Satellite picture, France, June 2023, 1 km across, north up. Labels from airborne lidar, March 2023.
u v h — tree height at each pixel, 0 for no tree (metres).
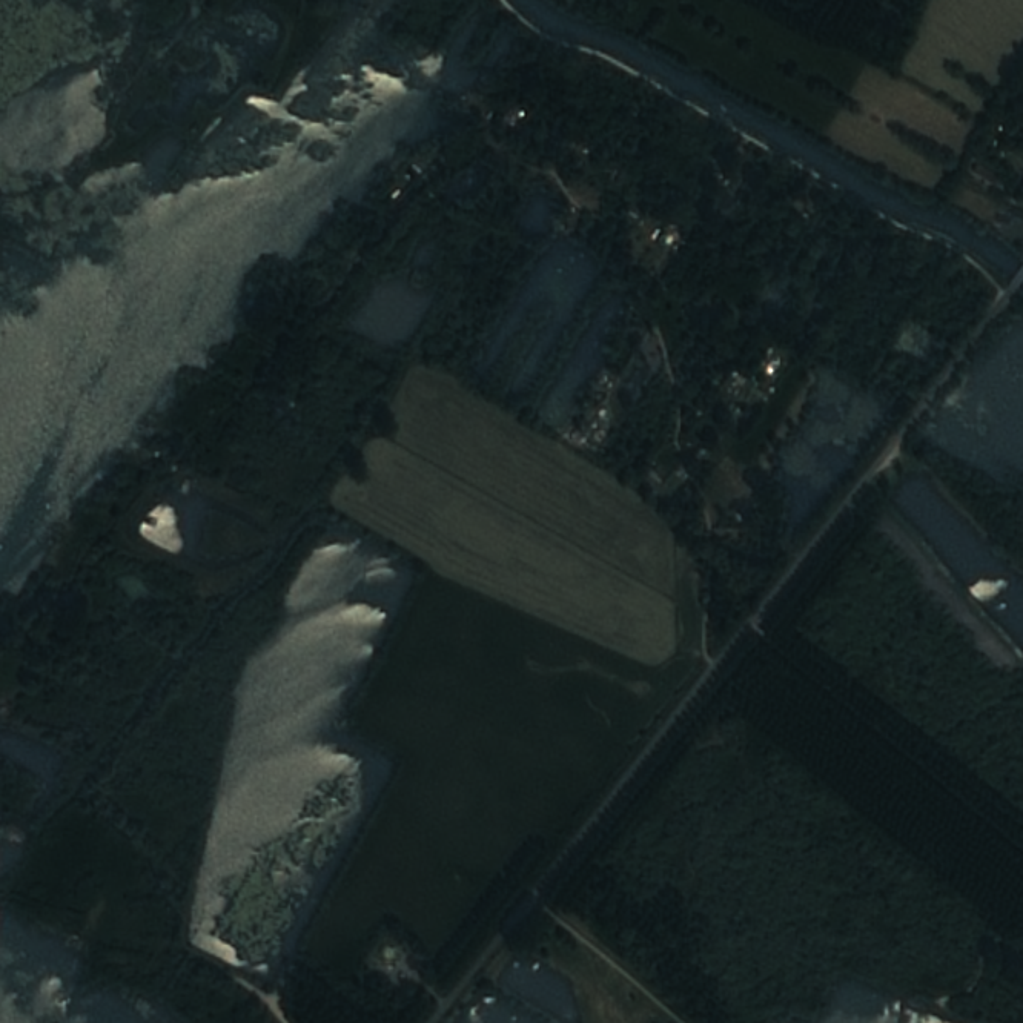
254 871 0
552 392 0
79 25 0
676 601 0
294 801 0
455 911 0
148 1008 0
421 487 0
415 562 9
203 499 0
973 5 0
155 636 13
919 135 14
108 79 0
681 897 16
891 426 13
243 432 7
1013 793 6
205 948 0
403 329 0
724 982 8
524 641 0
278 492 0
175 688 16
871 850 6
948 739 6
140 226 0
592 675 0
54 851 0
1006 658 0
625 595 0
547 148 15
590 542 0
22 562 0
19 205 0
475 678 0
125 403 0
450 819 0
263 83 8
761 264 8
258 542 0
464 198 17
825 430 0
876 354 16
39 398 0
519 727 0
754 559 20
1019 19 0
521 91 8
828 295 11
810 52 0
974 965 7
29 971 0
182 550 0
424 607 0
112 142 0
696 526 21
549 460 0
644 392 15
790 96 0
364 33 0
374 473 0
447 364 14
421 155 9
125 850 0
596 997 0
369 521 0
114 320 0
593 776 0
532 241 19
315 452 7
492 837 0
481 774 0
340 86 0
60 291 0
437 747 0
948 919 6
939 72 0
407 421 0
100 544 9
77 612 31
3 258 0
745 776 0
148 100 0
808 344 23
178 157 0
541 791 0
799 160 0
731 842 5
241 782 0
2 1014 0
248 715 0
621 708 0
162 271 0
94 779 15
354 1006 18
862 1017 0
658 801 0
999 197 8
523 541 0
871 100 0
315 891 0
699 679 0
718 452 0
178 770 6
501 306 10
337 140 0
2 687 0
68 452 0
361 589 0
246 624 6
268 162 0
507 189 21
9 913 0
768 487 26
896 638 6
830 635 7
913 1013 0
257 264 7
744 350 10
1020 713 8
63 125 0
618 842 7
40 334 0
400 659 0
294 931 0
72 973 0
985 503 10
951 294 13
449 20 12
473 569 0
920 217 0
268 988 9
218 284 0
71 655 10
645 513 0
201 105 0
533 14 0
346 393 13
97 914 0
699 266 12
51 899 0
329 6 14
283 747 0
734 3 0
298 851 0
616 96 6
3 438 0
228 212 0
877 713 18
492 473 0
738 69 0
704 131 7
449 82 0
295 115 0
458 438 0
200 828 6
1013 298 10
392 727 0
